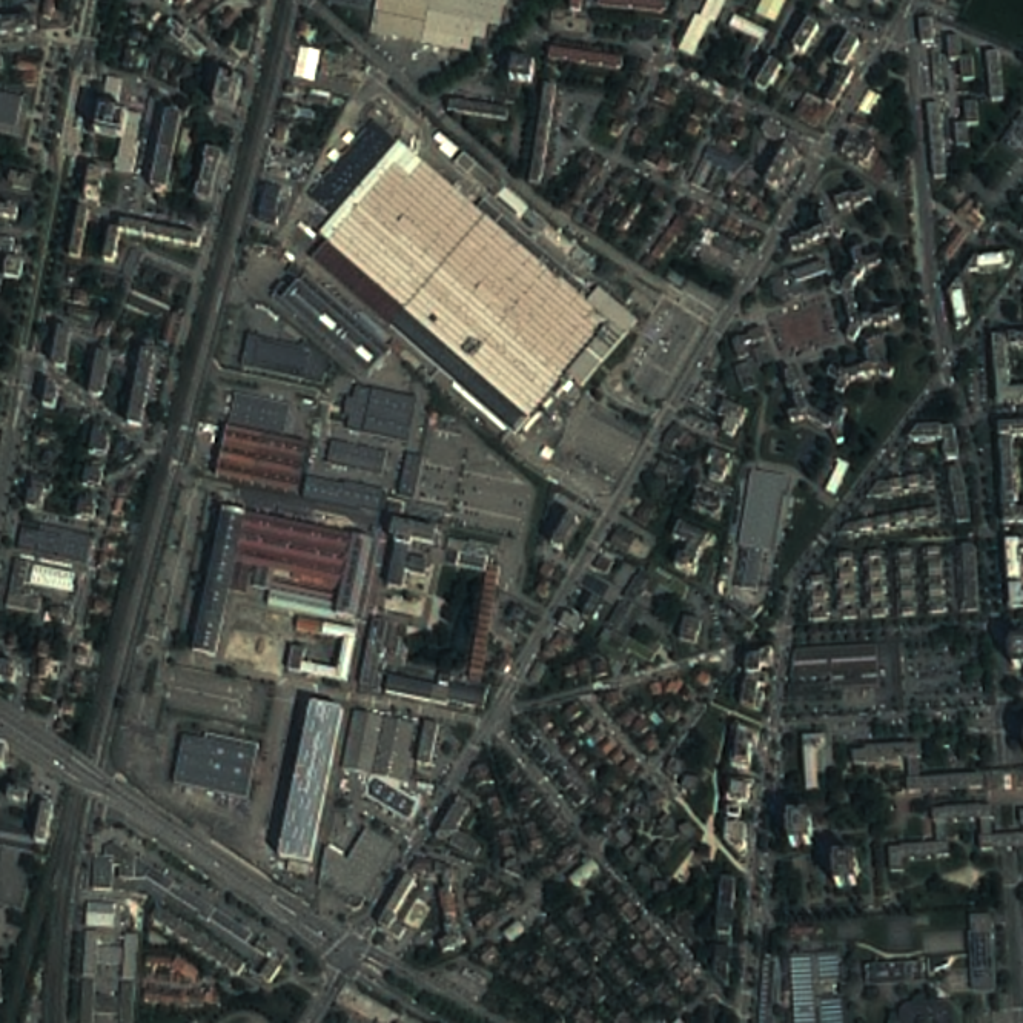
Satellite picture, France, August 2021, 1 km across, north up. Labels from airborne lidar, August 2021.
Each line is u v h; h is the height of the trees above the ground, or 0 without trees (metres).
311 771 0
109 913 0
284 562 0
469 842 0
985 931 0
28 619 7
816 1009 0
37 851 8
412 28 0
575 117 0
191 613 0
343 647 0
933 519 0
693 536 0
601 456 0
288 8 0
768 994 0
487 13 0
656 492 11
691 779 0
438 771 0
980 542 12
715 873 22
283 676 0
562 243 0
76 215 11
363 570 0
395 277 0
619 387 0
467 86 0
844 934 0
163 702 0
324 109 15
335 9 8
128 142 0
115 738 0
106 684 0
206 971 8
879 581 0
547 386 0
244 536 0
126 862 0
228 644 0
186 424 0
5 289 8
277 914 0
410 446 0
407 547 0
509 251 0
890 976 0
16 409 0
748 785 0
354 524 0
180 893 0
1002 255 0
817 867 7
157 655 0
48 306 15
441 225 0
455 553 0
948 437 0
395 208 0
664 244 0
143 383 0
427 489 0
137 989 0
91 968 0
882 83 14
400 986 11
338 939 0
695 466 9
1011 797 0
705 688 6
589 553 0
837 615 0
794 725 0
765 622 14
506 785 8
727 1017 12
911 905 7
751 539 0
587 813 7
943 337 0
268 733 0
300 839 0
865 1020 8
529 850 7
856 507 7
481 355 0
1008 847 0
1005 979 12
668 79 7
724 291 15
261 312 0
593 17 12
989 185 31
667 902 21
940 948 0
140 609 0
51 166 0
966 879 0
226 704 0
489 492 0
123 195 0
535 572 6
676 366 0
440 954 11
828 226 0
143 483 7
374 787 0
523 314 0
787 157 0
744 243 9
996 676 11
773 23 8
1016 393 0
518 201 0
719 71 10
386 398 0
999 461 0
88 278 11
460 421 0
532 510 0
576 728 7
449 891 0
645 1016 9
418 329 0
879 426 0
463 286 0
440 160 0
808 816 0
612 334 0
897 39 0
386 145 0
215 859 0
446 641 19
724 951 0
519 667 0
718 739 0
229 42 11
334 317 0
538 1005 7
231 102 0
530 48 0
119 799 0
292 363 0
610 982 9
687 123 7
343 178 0
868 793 12
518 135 0
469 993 0
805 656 0
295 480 0
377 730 0
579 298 0
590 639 12
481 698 0
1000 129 20
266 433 0
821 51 9
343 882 0
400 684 0
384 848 0
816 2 0
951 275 8
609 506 0
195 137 12
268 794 0
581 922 0
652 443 0
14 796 0
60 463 8
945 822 0
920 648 9
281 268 0
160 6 0
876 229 12
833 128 0
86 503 0
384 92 0
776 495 0
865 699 0
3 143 15
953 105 0
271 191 0
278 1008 0
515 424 0
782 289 0
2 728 0
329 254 0
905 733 11
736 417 0
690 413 6
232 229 0
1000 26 0
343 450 0
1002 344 0
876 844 7
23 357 0
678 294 0
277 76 0
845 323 8
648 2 0
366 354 0
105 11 14
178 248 0
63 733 8
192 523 0
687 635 0
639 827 15
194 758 0
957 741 12
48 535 0
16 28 0
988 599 10
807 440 0
